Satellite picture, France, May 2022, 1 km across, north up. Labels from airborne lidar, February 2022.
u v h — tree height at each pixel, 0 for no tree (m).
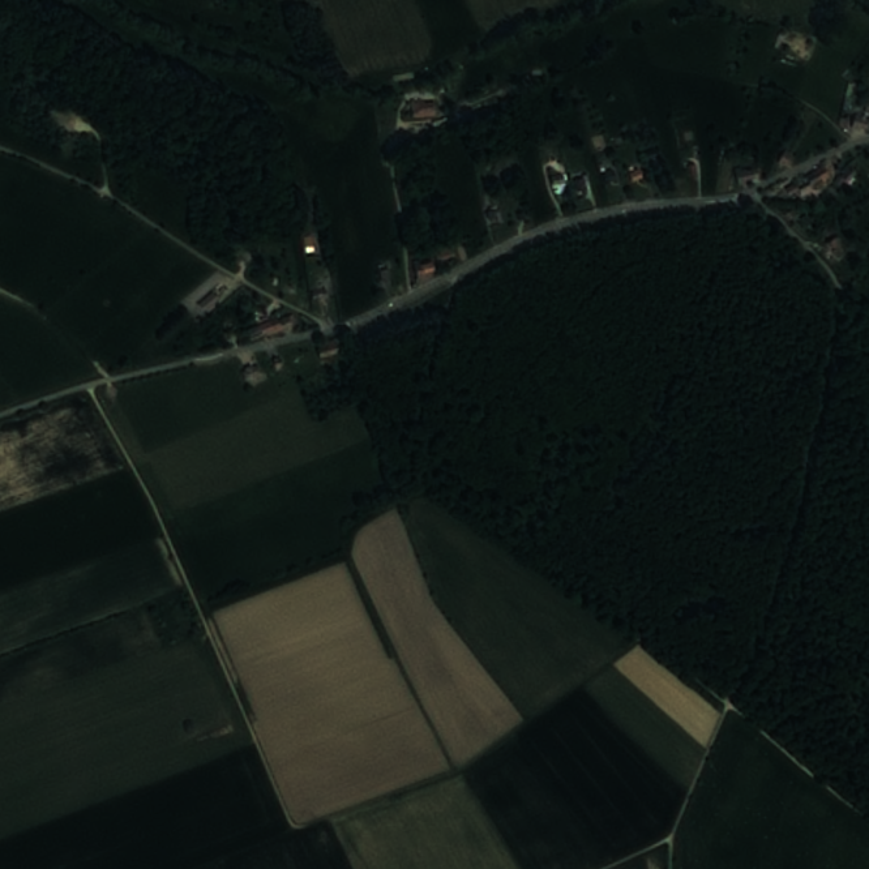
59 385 0
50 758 0
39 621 0
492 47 22
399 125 0
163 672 0
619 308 14
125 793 0
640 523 20
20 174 0
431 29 0
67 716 0
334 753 0
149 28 26
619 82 0
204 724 0
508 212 0
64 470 0
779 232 22
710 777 0
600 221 0
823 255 0
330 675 0
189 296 0
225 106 24
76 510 0
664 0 0
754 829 0
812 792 0
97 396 0
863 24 0
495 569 0
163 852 0
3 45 22
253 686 0
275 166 26
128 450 0
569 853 0
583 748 0
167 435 0
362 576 0
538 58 0
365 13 0
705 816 0
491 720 0
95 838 0
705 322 20
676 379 18
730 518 23
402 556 0
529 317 15
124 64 27
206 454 0
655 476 21
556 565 15
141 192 0
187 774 0
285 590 0
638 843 0
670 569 19
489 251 0
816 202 15
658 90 0
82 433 0
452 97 0
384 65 0
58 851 0
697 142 0
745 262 22
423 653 0
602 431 26
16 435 0
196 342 0
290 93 11
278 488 0
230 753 0
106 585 0
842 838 0
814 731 18
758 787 0
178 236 0
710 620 26
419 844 0
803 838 0
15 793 0
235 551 0
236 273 0
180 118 26
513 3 0
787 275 24
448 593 0
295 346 0
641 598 23
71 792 0
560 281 14
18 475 0
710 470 25
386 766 0
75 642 0
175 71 31
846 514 25
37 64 22
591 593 18
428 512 0
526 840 0
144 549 0
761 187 0
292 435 0
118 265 0
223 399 0
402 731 0
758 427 26
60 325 0
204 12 0
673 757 0
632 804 0
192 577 0
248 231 29
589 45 0
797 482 17
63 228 0
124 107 24
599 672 0
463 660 0
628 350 13
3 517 0
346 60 0
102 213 0
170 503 0
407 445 22
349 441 0
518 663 0
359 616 0
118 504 0
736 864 0
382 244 0
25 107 23
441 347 25
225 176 27
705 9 27
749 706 19
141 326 0
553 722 0
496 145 27
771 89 16
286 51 0
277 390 0
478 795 0
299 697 0
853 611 27
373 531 0
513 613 0
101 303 0
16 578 0
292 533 0
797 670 23
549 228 0
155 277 0
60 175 0
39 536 0
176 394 0
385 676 0
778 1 0
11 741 0
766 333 23
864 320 26
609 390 12
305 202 20
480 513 17
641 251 16
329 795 0
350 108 0
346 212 0
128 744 0
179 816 0
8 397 0
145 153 21
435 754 0
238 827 0
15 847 0
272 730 0
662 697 0
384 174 0
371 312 0
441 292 0
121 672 0
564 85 0
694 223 15
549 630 0
